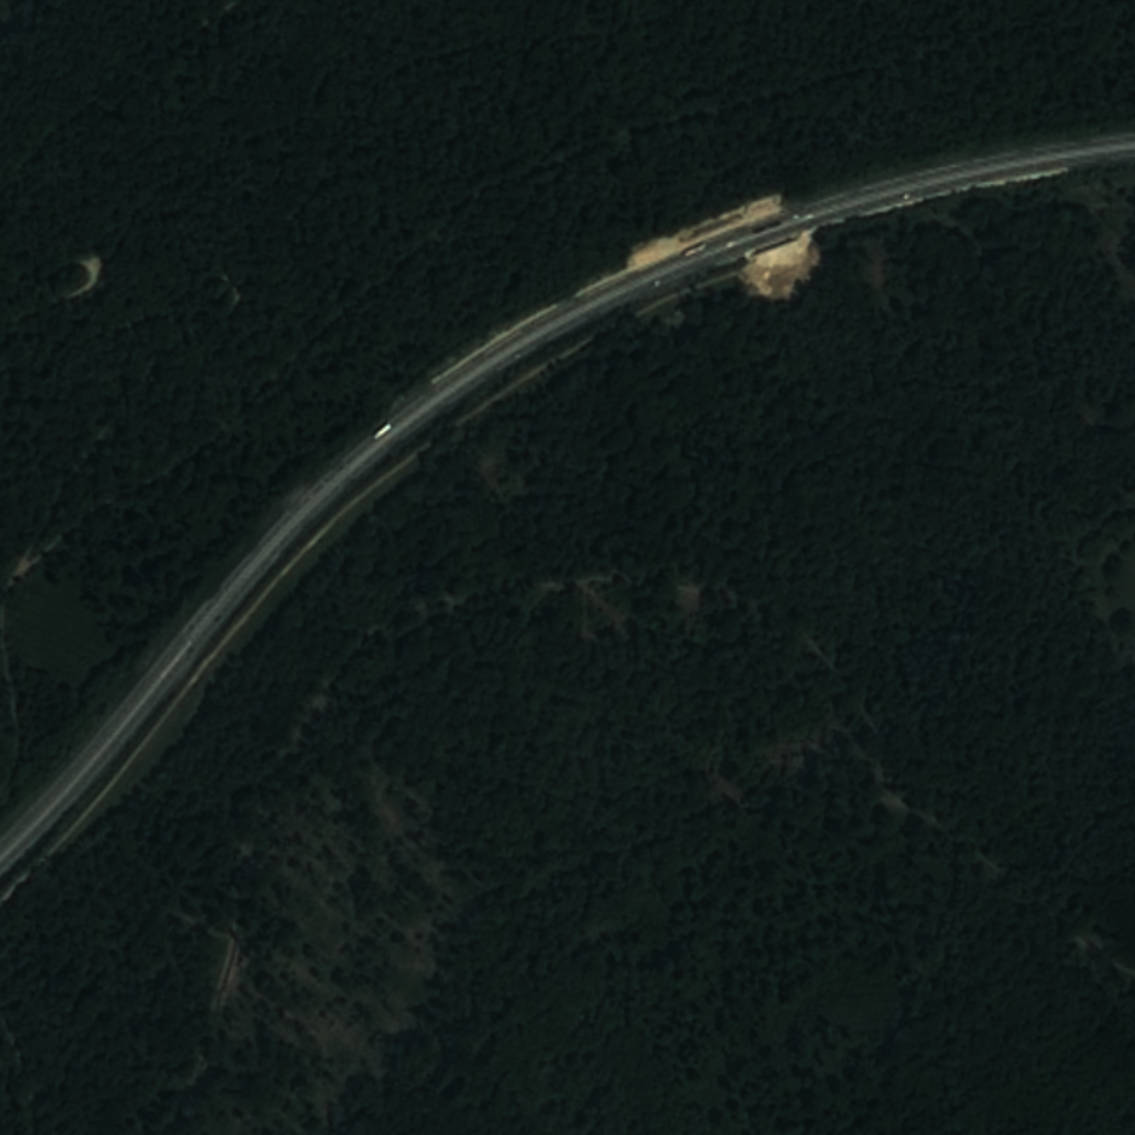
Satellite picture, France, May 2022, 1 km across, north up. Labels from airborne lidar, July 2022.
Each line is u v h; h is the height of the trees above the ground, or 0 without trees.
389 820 0
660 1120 22
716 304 22
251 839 23
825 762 21
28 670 11
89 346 17
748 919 22
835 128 26
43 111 16
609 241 26
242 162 17
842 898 19
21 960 20
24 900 16
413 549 19
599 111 16
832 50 18
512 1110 20
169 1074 21
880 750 23
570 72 22
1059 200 10
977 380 15
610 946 21
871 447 27
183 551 10
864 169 7
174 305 17
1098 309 22
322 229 22
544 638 22
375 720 23
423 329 19
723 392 23
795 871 21
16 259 20
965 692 21
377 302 20
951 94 8
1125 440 23
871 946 8
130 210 20
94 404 16
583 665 18
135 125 28
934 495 24
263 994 23
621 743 21
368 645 18
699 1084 21
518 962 24
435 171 22
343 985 22
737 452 26
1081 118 15
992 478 17
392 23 21
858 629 18
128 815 19
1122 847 20
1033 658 19
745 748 20
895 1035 19
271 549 0
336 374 25
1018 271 28
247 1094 19
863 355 20
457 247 11
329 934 0
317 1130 21
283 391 16
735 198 15
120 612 23
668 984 18
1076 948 19
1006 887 18
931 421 25
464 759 21
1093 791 20
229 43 25
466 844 23
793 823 24
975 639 25
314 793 24
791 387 21
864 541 21
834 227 7
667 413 25
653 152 22
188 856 22
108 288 16
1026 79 18
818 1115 20
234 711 23
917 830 23
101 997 19
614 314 6
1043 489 22
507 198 16
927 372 20
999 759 23
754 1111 19
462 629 26
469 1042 22
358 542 23
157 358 16
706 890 18
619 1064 18
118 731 0
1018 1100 8
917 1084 12
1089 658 18
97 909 20
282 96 21
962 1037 17
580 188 23
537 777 24
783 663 21
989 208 24
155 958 23
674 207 22
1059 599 13
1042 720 19
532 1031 20
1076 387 27
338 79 20
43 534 12
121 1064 23
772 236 0
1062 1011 19
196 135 25
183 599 21
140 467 12
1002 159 0
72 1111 18
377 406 11
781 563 25
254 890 22
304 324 12
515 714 22
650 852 23
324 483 0
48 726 12
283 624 22
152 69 22
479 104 20
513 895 25
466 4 21
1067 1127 13
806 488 27
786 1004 25
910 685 24
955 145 10
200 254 19
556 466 27
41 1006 27
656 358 31
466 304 19
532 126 17
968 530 16
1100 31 25
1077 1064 13
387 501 16
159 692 0
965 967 20
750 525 25
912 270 22
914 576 20
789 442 26
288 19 23
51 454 20
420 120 20
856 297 22
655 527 25
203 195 22
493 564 25
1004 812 23
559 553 21
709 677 21
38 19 26
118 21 23
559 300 14
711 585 20
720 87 18
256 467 25
